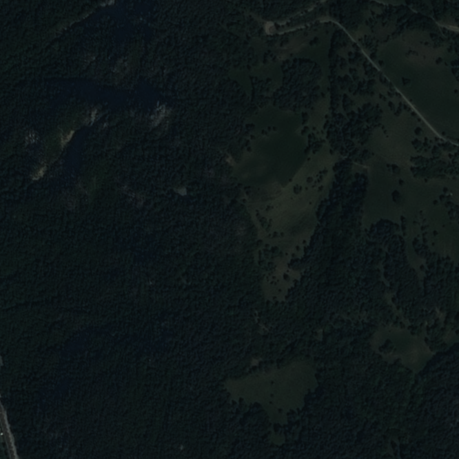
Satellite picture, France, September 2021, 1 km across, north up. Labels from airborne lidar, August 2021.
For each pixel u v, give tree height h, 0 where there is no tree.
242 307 14
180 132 9
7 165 16
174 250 17
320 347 20
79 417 11
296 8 11
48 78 12
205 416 11
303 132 10
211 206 7
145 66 10
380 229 13
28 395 17
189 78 7
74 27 13
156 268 13
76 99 11
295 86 10
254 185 0
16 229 14
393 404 14
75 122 7
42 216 14
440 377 8
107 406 7
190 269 14
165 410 13
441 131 0
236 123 11
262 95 7
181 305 12
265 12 14
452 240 0
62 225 14
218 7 15
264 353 12
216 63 6
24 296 15
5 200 15
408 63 0
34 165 6
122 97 7
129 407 11
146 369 7
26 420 22
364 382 9
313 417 17
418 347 0
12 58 15
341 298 17
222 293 16
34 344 14
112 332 16
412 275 15
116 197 11
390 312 13
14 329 14
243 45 13
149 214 12
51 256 12
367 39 8
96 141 11
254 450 14
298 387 0
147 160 10
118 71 7
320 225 17
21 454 17
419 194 0
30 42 13
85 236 17
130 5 11
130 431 9
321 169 0
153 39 21
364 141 19
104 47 8
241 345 8
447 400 6
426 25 21
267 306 11
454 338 0
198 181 13
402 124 0
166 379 15
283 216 0
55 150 7
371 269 19
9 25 18
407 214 0
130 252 11
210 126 13
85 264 10
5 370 12
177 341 14
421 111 0
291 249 0
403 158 0
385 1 0
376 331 9
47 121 9
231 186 10
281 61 0
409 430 17
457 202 0
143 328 10
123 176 7
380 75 12
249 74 0
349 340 25
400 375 12
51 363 10
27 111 8
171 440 11
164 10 15
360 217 18
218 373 11
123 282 9
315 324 16
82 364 12
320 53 0
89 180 8
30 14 18
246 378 14
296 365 0
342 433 16
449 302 19
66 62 12
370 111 17
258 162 0
